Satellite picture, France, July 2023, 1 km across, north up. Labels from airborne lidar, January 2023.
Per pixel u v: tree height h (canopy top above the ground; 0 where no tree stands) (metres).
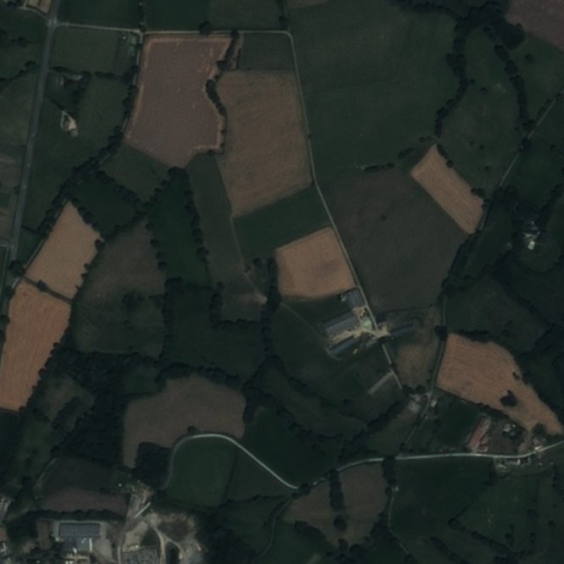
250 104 0
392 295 0
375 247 0
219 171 0
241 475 0
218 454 0
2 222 0
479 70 0
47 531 0
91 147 0
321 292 0
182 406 0
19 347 0
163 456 16
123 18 0
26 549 0
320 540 22
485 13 21
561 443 0
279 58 0
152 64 0
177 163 0
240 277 0
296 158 0
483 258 0
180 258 0
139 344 0
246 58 0
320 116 0
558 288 0
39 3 0
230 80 0
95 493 0
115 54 0
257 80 0
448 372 0
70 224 0
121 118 0
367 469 0
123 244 0
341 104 0
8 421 6
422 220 0
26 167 0
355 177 0
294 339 0
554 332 8
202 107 0
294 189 0
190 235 0
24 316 0
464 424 0
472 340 15
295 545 0
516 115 0
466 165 0
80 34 0
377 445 0
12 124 0
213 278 0
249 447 0
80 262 0
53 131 0
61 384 0
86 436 7
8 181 0
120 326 0
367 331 0
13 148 0
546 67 0
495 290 0
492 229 0
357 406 0
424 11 19
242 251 0
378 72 0
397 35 0
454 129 0
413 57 0
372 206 0
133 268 0
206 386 0
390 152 0
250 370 0
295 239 0
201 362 0
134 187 0
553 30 0
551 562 0
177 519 0
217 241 0
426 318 0
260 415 0
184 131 0
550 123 0
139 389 0
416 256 0
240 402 0
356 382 0
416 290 0
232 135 0
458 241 0
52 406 0
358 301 0
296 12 0
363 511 0
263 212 0
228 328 17
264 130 0
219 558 13
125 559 0
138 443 0
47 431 0
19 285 0
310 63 0
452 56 14
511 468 0
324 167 0
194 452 0
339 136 0
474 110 0
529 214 20
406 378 0
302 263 0
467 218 0
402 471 0
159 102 0
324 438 14
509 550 12
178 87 0
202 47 0
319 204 0
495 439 0
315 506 0
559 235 0
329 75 0
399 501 0
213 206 0
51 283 0
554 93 0
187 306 0
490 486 13
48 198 0
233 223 0
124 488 0
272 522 9
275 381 0
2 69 0
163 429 0
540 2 0
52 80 0
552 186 0
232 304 0
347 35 0
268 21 0
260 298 0
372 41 0
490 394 0
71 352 23
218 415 0
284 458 0
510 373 0
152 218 0
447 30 0
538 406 0
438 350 0
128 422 0
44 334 0
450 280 13
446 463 0
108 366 7
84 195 0
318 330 0
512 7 0
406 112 0
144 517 0
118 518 8
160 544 0
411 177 0
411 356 0
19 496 9
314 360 0
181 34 0
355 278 0
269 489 0
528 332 0
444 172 0
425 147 0
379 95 0
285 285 0
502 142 0
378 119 0
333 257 0
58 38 0
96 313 0
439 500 0
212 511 6
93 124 0
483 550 0
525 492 0
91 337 0
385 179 0
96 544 0
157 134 0
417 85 0
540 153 0
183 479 0
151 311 0
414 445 0
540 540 0
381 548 0
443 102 0
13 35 0
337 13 0
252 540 0
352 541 0
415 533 0
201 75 0
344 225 0
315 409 0
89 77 11
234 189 0
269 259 6
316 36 0
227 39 0
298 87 0
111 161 0
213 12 0
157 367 13
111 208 0
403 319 0
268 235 0
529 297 0
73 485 0
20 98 0
